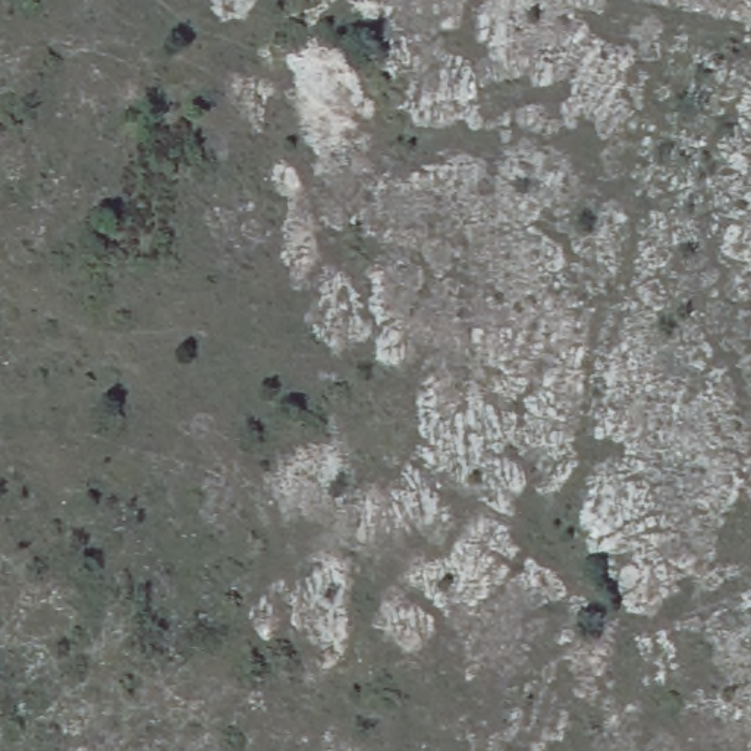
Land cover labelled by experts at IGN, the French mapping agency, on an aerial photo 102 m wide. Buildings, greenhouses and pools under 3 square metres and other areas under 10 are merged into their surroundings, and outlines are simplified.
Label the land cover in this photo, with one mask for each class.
<instances>
[{"label":"herbaceous vegetation","instance_id":"1","mask_svg":"<svg viewBox=\"0 0 751 751\"><path fill-rule=\"evenodd\" d=\"M214 0H0V173L6 176V182H29V202H6L0 208V681H18V675L23 672L35 681L41 666L56 669L59 657L70 648V640L65 637L76 625V607L67 601L76 590H59L53 581H35V575L29 572L32 557L53 546L56 534H73L76 528H85L91 546L103 549L106 554L103 569L109 575H123V569L129 566L135 572V581H153V607L170 622L164 631V654H141L138 648H129L123 642L135 625L138 607L132 601L109 604L103 613V631L88 645L91 663L82 681L62 689V695L50 701L47 710H32L26 707V701H18V722H3L0 710V751H217L220 730L232 725L246 733L243 751H487L490 733L508 728V716L499 710V672L478 669L475 681H464V654L446 651L449 640H455L458 634L446 622L443 610L434 616L431 640H425L417 651H402L387 640L384 631H376L373 625L381 613V596L387 593V587L399 575H408L396 560L364 557L361 566L346 578L349 593L343 657L340 663H334V669H329L326 681L305 684L302 678L305 660L323 663V645H311L305 631H296L290 625V604L282 598V593L270 590V584L287 581L296 587V581L311 578L320 569L311 560V554L317 552L311 549V540L323 534V525L308 522L305 516L285 522L279 510V496L264 484V475L279 466H287L296 449H305L311 443H346L340 464L355 466L358 484L364 490H405L402 472L408 466V455L420 449L417 396L422 390V381L437 373V367L425 364L428 355H434V346L422 343L414 349L408 361H399L393 367L376 364L373 376L364 378L361 364L376 361L373 343L361 340L346 349H329L305 326L308 305L320 296L314 290H293L290 267L282 264V223L287 214V197L279 194L273 185V167H293L302 182L314 173V150L302 138L296 144H287V135H302L299 109L290 100L270 97L261 132H252L249 120L243 117V109L226 100L232 76H249L261 65L258 50L270 44H285L290 53H299L308 44H323L343 53V59L361 82L364 97L373 100V117L355 114V126L343 132V138L370 135L367 164L378 173H393L396 179L425 173V164H446L452 161V155L466 153L484 164L478 179V197H487L496 194V173L505 161V150H516L522 141H528L537 147V153L543 147L563 150L572 170L581 179V211L598 214L604 202H616L625 211L622 229L613 235V246L619 255L616 276L607 279L604 293H572V299H581L584 305L596 308L587 334L590 349H598V329L607 317V305L622 302L619 287L634 282L640 226L651 223V211H672L678 191L669 188L672 179L730 176L733 167L719 158V141L710 135L716 132V120L722 114L736 117L742 94L751 85V79L716 62L707 50H698L686 67H678V62H666V73L684 79L686 91H707L710 103L704 106V111L684 123L675 111L666 114L669 129H616L610 138H598L596 120L584 114H578L575 129H560L554 135L534 132L519 123L502 129H469L466 123L417 126L405 111H399L408 91V76L387 73V50H378V44L367 32H358L352 21L340 23L331 15H323L320 23H308L305 18H290L287 9L282 12L276 9V3L267 0H255L246 18L220 21L211 12ZM179 23L194 29V41L185 44L176 56L161 59L158 47L173 35ZM150 88H158L164 100H173L179 109L191 106L194 97H205L211 109L202 111L199 126H194L191 120L155 123L153 141L135 144L120 126L132 117L129 106L141 100ZM111 387L126 390V414H120L117 425H106L94 414V408L109 396ZM258 598H267L273 604L276 622L270 628V640H261L246 616L249 604H258ZM572 443L578 466L572 478L549 496L528 493L522 487V493L510 505L513 510L508 534L516 549H525L531 554V560L549 566L566 584L569 593L587 598V607L578 610L575 634L584 640H598L607 625V616L622 607V590L616 578H610L607 554L587 549V531L581 528V505L587 493V478L596 475V464L622 461L625 449L622 443L596 437V420H578ZM563 710L569 713L566 736L563 742H552L546 751H593V739L604 730V716L590 701L572 695L569 701H563Z\"/></svg>","mask_w":751,"mask_h":751},{"label":"bare soil","instance_id":"2","mask_svg":"<svg viewBox=\"0 0 751 751\"><path fill-rule=\"evenodd\" d=\"M255 0H214L211 12L220 21L246 18ZM276 3V9L282 12L287 9L290 18H305L308 23H320L323 15H331L340 23L352 21L358 32H367L378 44V50H387V73L408 76V91L399 111H405L417 126L466 123L469 129H502L519 123L534 132L554 135L560 129H575L578 114H584L596 120L598 138H610L616 129H669L666 114L675 111L684 123L704 111V106L710 103L707 91H686L684 79L666 73V62H678V67H686L698 50H707L716 62L751 79V0H267ZM194 41V29L179 23L173 35L158 47L161 59L176 56L185 44ZM261 65L249 76H232L226 100L243 109V117L249 120L252 132H261L270 97L290 100L299 109L302 135H287V144H296L302 138L314 150V173L302 182L293 167H273V185L279 194L287 197V214L282 223V264L290 267L293 290H314L320 296L308 305L305 326L329 349H346L361 340L373 343L376 361L361 364L364 378L373 376L376 364L393 367L399 361H408L414 349L422 343L434 346V355H428L425 364L437 367V373L422 381V390L417 396L420 449L408 455V466L402 472L405 490H364L358 484L355 466L340 464L346 443H311L305 449H296L287 466H279L264 475V484L279 496V510L285 522L305 516L308 522L323 525V534L311 540V549L317 552L311 554V560L320 569L311 578L296 581V587L287 581L270 584V590L282 593V598L290 604V625L296 631H305L311 645H323V663L305 660L302 678L305 684L326 681L329 669H334V663H340L343 657L349 593L346 578L361 566L364 557L396 560L408 575H399L387 587V593L381 596V613L373 625L376 631H384L387 640L402 651H417L425 640H431L434 616L443 610L446 622L458 634L455 640H449L446 651L464 654V681H475L478 669L499 672V710L508 716V728L490 733L487 751H546L552 742H563L566 736L569 713L563 710V701H569L572 695L590 701L604 716V730L593 739V751H751V85L742 94L736 117L722 114L716 120V132L710 135L719 141V158L733 167L730 176L672 179L669 188L678 191L672 211H651V223L640 226L634 282L619 287L622 302L607 305V317L598 329V349H590L587 334L596 308L584 305L581 299H572V293H604L607 279L616 276L619 255L613 246V235L622 229L625 211L616 202H604L598 214L581 211V179L572 170L563 150L543 147L537 153V147L528 141H522L516 150H505V161L496 173V194L487 197H478V179L484 164L466 153L452 155V161L446 164H425V173L396 179L393 173H378L367 164L370 135L343 138V132L355 126V114L373 117V100L364 97L361 82L343 59V53L323 44H308L299 53H290L285 44H270L258 50ZM578 420H596V437L622 443L625 449L622 461L596 464V475L587 478V493L581 505V528L587 531V549L607 554L610 578H616L622 590V607L607 616V625L598 640H584L575 634L578 610L587 607V598L569 593L566 584L549 566L531 560V554L525 549H516L508 534L513 510L510 505L522 493V487L528 493L549 496L572 478L578 466L572 443ZM211 109L205 97H194L191 106L179 109L173 100H164L158 88H150L141 100L129 106L132 117L120 126L135 144L153 141L155 123L191 120L194 126H199L202 111ZM246 616L261 640H270V628L276 622L273 604L267 598H258V604H249ZM246 733L232 725L220 730L217 751H243Z\"/></svg>","mask_w":751,"mask_h":751},{"label":"brushwood","instance_id":"3","mask_svg":"<svg viewBox=\"0 0 751 751\"><path fill-rule=\"evenodd\" d=\"M6 202H29V182H6V176L0 173V208ZM94 414L106 425H117L120 414H126V390L111 387L109 396L94 408ZM106 554L103 549L91 546L85 528H76L73 534H56L53 546L32 557L29 572L35 575V581H53L59 590H76L67 601L76 607V625L65 637L70 640V648L59 657L56 669L41 666L35 681L23 672L18 675V681H0V710L3 722H18V701H26V707L32 710H47L50 701L62 695V689L82 681L91 663L88 645L103 631V613L109 604L132 601L138 607L135 625L123 642L129 648H138L141 654H164V631L170 622L153 607V581H135V572L129 566L123 569V575H109L103 569Z\"/></svg>","mask_w":751,"mask_h":751}]
</instances>
